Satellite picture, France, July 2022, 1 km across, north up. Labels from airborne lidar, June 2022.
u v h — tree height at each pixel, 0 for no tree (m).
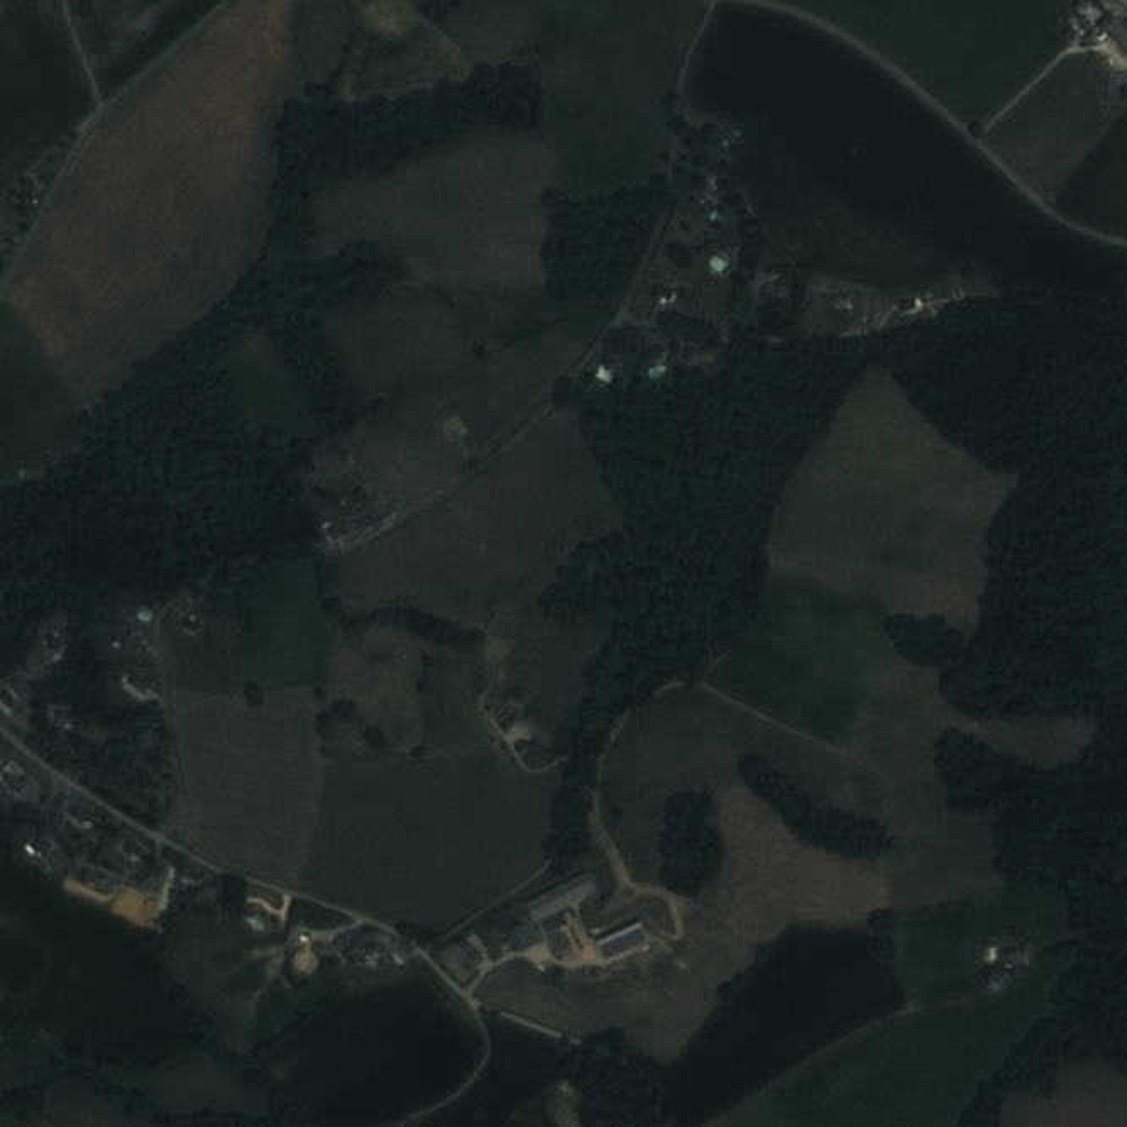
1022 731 0
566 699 0
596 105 0
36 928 0
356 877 0
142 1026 0
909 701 0
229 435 17
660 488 27
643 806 0
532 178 0
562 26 0
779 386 23
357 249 9
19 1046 0
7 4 0
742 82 0
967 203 0
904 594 0
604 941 0
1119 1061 25
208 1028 19
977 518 0
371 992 0
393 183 0
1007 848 11
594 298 11
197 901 9
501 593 0
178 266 0
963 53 0
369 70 0
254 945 0
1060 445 17
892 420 0
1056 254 0
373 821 0
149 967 0
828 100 0
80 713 12
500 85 17
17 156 0
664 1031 0
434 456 0
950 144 0
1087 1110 0
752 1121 0
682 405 24
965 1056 0
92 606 22
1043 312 16
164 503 12
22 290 0
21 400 0
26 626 23
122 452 29
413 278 0
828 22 0
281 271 6
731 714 0
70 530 8
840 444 0
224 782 0
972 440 24
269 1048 13
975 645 13
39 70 0
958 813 16
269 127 0
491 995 0
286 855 0
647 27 0
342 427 19
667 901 0
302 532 10
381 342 0
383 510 0
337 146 29
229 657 0
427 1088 0
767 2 0
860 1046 0
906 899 0
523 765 0
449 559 0
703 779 0
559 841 20
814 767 0
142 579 12
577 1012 0
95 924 0
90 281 0
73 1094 0
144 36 0
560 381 8
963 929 0
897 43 0
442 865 0
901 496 0
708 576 27
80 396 0
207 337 24
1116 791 9
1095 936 28
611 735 15
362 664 0
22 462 0
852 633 0
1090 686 12
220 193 0
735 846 0
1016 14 0
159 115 0
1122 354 23
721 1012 0
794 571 0
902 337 17
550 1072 0
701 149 18
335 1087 0
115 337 0
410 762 0
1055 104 0
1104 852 24
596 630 0
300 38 0
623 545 29
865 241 0
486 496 0
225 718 0
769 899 0
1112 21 0
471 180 0
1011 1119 0
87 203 0
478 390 0
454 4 18
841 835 23
